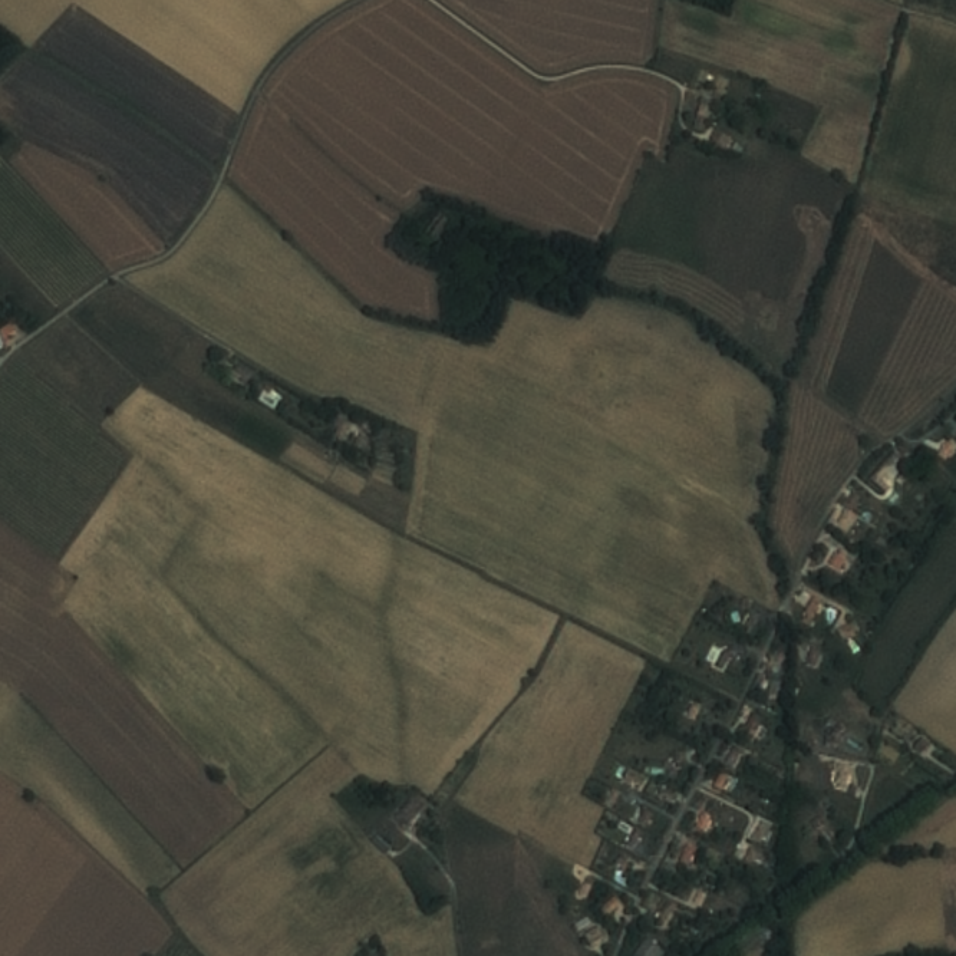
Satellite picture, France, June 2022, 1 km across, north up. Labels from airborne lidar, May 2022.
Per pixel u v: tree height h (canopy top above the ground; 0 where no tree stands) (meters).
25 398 0
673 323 0
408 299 0
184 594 0
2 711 0
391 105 0
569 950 0
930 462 22
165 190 0
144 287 0
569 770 0
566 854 0
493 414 0
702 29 0
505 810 0
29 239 0
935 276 0
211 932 0
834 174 10
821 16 0
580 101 0
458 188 0
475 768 0
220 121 0
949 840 0
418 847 0
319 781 0
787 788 12
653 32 0
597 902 8
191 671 0
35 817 0
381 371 0
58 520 0
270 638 0
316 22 0
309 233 0
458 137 0
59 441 0
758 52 0
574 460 0
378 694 0
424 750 0
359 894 0
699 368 0
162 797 0
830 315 0
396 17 0
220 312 0
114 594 0
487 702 0
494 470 0
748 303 0
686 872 6
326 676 0
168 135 0
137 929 0
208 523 0
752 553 0
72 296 0
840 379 0
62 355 0
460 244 16
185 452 0
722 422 0
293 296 0
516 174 0
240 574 0
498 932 0
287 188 0
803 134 0
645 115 0
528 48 0
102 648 0
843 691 0
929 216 0
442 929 0
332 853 0
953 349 0
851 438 0
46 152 0
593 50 0
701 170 0
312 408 10
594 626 0
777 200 0
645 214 0
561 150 0
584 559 0
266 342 0
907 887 0
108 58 0
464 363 0
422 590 0
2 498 0
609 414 0
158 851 0
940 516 21
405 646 0
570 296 9
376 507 0
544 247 9
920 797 22
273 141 0
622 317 0
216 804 0
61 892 0
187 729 0
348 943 0
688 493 0
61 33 0
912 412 0
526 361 0
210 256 0
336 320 0
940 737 0
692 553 0
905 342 0
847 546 11
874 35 0
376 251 0
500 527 0
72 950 0
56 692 0
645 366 0
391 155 0
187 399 0
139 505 0
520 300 22
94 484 0
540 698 0
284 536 0
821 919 0
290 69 0
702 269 0
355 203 0
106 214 0
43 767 0
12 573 0
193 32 0
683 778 9
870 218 0
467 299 9
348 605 0
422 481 0
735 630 8
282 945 0
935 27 0
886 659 0
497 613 0
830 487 0
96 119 0
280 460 0
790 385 7
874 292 0
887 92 8
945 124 0
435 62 0
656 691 9
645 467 0
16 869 0
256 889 0
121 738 0
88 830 0
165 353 0
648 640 0
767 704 11
